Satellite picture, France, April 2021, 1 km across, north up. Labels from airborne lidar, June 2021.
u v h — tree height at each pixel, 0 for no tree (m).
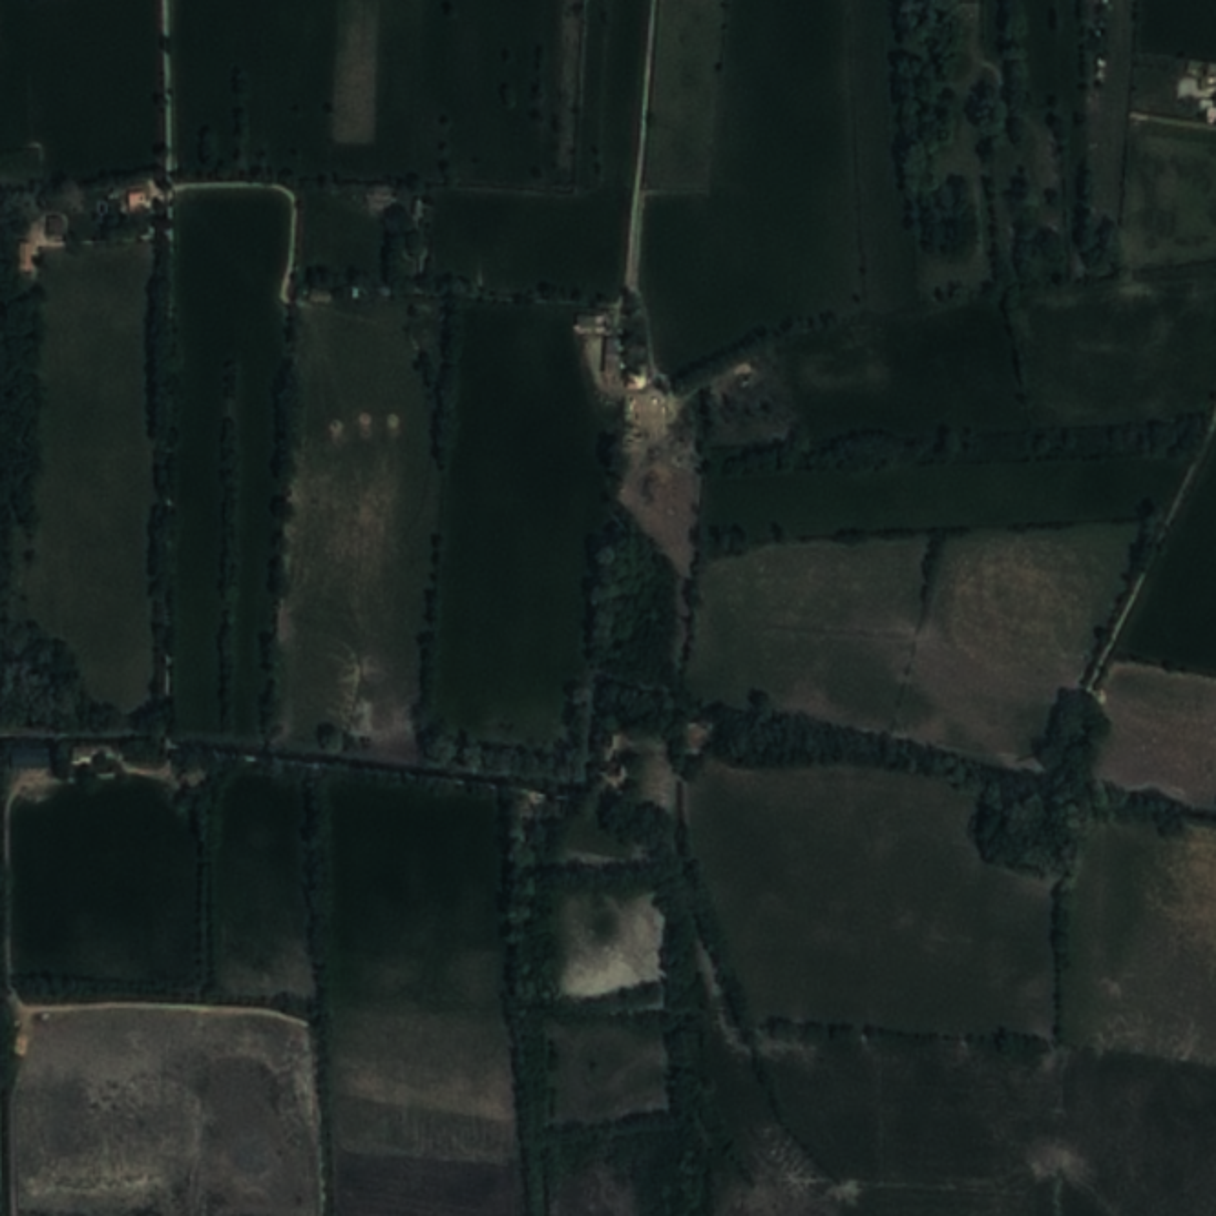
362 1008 0
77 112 0
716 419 16
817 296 0
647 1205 9
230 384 6
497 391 0
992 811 16
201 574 0
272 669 13
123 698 0
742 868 0
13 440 19
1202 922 0
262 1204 0
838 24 0
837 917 0
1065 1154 0
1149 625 0
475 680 0
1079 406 0
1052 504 0
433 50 0
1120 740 0
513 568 0
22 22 0
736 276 0
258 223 0
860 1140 0
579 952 0
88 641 0
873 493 0
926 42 16
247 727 0
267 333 0
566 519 0
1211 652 0
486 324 0
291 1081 0
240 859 0
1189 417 8
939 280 0
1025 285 7
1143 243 0
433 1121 0
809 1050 0
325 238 0
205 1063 0
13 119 0
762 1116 0
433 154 0
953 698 0
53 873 0
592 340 0
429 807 0
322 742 10
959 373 0
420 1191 0
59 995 16
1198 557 0
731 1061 0
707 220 0
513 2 0
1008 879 0
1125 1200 0
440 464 11
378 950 0
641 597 20
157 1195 0
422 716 19
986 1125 0
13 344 17
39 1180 0
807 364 0
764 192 0
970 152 0
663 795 0
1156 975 0
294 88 0
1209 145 0
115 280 0
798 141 0
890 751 17
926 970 0
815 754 16
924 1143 0
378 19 0
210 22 0
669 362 0
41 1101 0
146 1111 0
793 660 0
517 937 19
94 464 0
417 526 0
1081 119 11
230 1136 0
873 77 0
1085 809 22
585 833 0
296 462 8
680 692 9
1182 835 12
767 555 0
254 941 0
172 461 12
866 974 0
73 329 0
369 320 0
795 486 0
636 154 0
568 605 0
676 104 0
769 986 0
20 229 18
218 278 0
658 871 17
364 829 0
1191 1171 0
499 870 0
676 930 18
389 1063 0
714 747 8
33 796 0
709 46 0
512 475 0
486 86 0
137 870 0
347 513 0
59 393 0
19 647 12
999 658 0
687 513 0
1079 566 0
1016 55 20
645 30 0
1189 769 0
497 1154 0
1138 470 0
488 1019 0
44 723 23
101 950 0
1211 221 0
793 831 0
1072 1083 0
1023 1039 10
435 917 0
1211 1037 0
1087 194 16
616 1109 0
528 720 0
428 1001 0
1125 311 0
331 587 0
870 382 0
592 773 15
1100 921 0
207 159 14
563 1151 10
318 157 0
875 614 0
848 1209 0
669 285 0
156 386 16
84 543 0
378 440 0
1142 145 0
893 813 0
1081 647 0
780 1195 0
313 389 0
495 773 16
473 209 0
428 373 12
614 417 0
